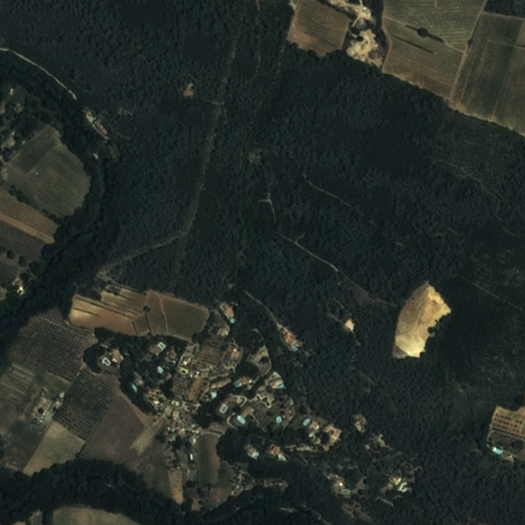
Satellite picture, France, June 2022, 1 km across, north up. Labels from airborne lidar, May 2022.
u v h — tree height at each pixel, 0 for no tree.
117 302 0
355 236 17
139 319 0
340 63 15
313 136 14
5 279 0
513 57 0
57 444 0
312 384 16
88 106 8
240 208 18
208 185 6
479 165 6
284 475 9
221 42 9
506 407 10
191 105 6
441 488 18
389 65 0
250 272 13
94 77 7
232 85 18
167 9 6
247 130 17
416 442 9
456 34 0
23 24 8
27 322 17
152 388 17
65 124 23
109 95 18
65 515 0
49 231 0
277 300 9
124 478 22
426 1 0
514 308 7
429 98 9
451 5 0
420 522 18
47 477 20
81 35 8
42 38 6
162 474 0
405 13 0
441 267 19
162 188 8
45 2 19
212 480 0
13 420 0
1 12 10
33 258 0
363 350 17
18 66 18
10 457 0
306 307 12
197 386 0
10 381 0
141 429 0
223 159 19
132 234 14
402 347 0
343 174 18
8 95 6
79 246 23
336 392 12
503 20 0
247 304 19
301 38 0
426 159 5
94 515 0
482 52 0
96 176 22
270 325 21
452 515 20
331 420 16
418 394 16
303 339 17
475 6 0
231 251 15
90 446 0
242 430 14
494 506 5
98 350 8
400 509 7
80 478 20
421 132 7
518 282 6
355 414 18
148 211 16
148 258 16
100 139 12
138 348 17
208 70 17
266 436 10
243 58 11
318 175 7
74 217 11
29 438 0
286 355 6
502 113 0
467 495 8
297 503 24
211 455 0
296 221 19
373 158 5
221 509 15
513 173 11
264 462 6
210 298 18
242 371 11
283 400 12
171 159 16
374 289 19
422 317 0
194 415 11
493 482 12
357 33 12
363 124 16
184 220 18
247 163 12
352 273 7
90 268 13
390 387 15
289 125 13
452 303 6
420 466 9
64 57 7
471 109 0
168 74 18
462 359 5
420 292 0
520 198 9
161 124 9
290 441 7
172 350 6
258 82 7
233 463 14
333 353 19
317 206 7
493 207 18
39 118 18
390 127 6
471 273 8
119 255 14
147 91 16
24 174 0
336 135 8
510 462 9
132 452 0
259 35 19
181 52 8
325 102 12
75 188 0
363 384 15
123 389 10
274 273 20
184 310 0
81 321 0
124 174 10
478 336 6
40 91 20
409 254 10
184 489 6
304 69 15
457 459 13
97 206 25
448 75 0
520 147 8
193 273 18
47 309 17
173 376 7
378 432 19
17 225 0
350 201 6
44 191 0
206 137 14
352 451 16
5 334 27
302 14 0
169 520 18
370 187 21
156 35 7
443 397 19
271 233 9
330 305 11
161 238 16
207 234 7
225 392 8
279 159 9
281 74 8
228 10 16
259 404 0
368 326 20
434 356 16
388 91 15
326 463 18
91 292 6
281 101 8
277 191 7
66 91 11
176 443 8
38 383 0
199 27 6
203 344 7
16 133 6
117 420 0
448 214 18
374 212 15
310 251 7
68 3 17
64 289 7
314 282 18
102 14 16
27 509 19
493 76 0
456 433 12
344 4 0
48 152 0
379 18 17
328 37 0
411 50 0
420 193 17
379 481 16
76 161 0
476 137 9
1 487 23
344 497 10
